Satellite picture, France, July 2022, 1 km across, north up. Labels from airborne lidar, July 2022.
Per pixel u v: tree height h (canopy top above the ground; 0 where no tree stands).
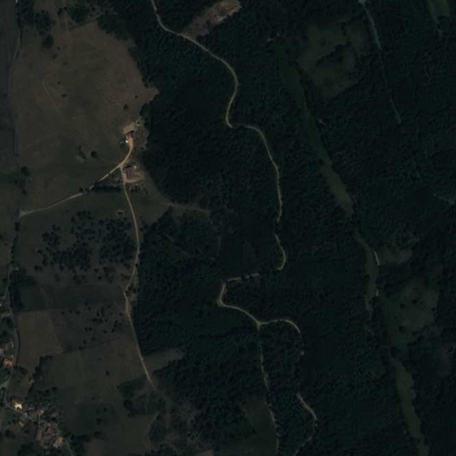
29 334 0
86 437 16
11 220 0
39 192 0
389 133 25
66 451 0
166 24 12
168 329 26
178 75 28
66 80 0
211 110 25
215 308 8
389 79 18
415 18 27
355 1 12
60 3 0
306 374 33
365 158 23
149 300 8
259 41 29
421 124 19
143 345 19
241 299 23
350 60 0
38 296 0
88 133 0
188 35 0
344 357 18
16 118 0
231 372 7
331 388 8
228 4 0
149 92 0
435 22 14
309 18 21
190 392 13
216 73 19
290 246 22
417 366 29
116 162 0
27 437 0
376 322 22
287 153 9
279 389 8
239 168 16
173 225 13
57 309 0
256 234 27
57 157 0
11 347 0
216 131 24
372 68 16
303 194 20
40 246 0
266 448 0
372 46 10
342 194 0
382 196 18
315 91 12
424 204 21
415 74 18
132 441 0
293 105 25
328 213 14
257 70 23
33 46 0
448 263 14
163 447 8
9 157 0
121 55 0
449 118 15
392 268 9
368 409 20
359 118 15
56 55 0
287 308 20
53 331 0
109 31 7
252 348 8
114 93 0
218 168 13
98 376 0
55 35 0
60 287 0
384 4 11
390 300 13
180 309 22
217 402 27
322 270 14
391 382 11
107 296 0
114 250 10
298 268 18
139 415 0
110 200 0
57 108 0
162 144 17
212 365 15
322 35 0
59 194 0
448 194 25
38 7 0
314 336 24
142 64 10
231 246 8
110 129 0
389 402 13
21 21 12
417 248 15
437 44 18
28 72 0
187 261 10
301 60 0
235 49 19
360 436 24
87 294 0
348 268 23
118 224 7
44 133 0
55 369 0
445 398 21
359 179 24
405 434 7
